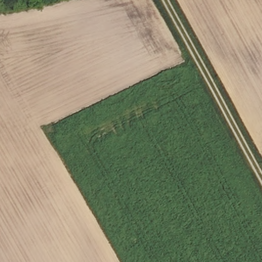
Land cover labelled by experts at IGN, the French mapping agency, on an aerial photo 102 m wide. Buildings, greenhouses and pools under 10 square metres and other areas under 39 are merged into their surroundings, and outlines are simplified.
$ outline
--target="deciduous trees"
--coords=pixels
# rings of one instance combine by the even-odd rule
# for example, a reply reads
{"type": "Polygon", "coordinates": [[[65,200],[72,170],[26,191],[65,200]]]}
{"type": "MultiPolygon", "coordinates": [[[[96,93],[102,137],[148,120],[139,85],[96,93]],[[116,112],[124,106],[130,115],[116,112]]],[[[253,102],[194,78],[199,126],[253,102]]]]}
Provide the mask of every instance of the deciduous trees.
{"type": "Polygon", "coordinates": [[[0,0],[0,14],[40,10],[45,6],[70,0],[0,0]]]}

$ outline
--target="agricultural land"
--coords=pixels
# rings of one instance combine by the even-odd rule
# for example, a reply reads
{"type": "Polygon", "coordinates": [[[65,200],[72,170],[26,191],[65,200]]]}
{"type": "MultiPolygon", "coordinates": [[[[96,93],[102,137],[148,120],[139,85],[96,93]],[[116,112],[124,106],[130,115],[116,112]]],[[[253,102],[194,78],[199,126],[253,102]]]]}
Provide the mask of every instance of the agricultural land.
{"type": "Polygon", "coordinates": [[[40,10],[0,14],[0,262],[262,262],[262,187],[195,65],[193,68],[180,67],[179,64],[184,60],[180,48],[152,0],[70,0],[45,6],[40,10]]]}

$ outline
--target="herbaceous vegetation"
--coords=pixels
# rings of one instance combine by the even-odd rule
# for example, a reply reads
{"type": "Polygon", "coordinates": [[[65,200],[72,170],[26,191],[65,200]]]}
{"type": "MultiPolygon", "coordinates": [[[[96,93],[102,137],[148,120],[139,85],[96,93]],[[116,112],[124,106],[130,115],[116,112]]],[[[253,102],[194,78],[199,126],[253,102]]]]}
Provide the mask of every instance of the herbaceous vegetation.
{"type": "Polygon", "coordinates": [[[177,0],[170,0],[262,169],[262,156],[177,0]]]}
{"type": "Polygon", "coordinates": [[[193,68],[195,65],[161,0],[152,0],[180,48],[184,60],[179,64],[180,67],[193,68]]]}

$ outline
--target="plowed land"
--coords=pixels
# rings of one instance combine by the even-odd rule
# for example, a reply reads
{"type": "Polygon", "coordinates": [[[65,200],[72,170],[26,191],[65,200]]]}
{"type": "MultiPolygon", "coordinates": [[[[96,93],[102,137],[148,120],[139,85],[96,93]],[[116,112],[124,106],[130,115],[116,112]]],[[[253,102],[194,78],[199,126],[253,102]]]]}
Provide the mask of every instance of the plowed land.
{"type": "Polygon", "coordinates": [[[177,0],[262,156],[262,0],[177,0]]]}

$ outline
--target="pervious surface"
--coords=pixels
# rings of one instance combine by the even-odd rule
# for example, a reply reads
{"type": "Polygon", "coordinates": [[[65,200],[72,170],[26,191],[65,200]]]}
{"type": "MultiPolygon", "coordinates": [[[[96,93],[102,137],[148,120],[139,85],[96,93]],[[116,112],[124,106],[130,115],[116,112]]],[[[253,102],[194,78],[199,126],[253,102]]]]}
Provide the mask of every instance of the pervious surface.
{"type": "Polygon", "coordinates": [[[262,187],[262,169],[170,0],[161,0],[195,65],[262,187]]]}

